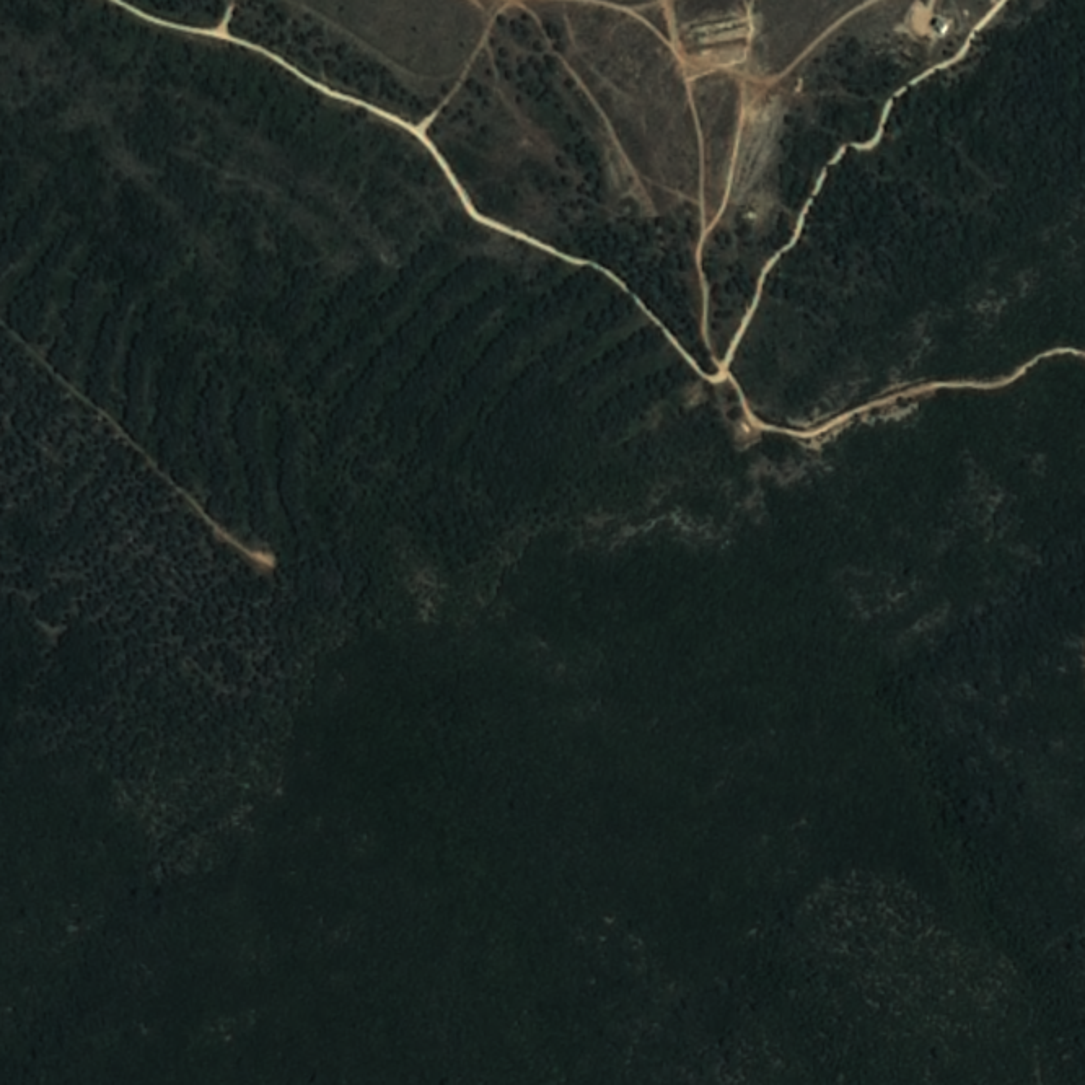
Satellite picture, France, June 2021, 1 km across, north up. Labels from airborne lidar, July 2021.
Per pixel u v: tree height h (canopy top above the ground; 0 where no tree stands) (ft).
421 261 45
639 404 29
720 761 17
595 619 25
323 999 25
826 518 26
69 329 26
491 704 22
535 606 26
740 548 24
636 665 21
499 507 21
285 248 22
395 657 32
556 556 22
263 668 39
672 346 0
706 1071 47
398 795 24
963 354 17
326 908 18
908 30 0
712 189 0
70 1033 18
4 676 26
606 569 29
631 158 0
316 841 22
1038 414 21
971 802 47
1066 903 21
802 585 29
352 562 34
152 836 26
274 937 21
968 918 22
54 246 37
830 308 35
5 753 18
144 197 22
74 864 22
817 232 32
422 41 0
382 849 18
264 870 26
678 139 0
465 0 0
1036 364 26
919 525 19
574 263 0
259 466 32
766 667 23
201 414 40
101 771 20
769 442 23
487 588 28
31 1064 24
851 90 19
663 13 0
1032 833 19
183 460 21
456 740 30
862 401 18
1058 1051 26
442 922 21
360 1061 23
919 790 27
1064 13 32
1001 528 29
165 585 39
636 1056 17
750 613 20
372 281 44
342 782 23
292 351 24
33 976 24
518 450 24
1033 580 24
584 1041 21
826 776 18
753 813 18
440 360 30
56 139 20
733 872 18
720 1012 21
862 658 24
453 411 36
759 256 0
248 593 31
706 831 20
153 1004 18
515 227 0
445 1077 21
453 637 29
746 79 0
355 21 0
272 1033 18
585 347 38
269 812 17
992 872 22
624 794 20
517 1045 22
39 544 39
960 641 28
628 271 36
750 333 0
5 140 20
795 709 28
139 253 34
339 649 27
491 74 22
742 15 0
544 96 36
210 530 36
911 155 39
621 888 19
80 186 29
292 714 21
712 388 21
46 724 29
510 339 38
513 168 0
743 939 25
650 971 26
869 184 34
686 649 22
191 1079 18
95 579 31
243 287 26
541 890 18
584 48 0
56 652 31
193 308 27
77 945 20
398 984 22
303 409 26
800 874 18
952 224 27
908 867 22
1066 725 18
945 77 24
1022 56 36
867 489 22
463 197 0
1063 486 23
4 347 41
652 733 21
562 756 19
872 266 20
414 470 29
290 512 43
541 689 20
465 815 27
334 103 0
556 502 26
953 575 23
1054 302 21
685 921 21
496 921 28
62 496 34
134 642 29
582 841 17
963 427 20
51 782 23
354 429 34
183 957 18
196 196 38
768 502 22
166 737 25
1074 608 18
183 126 20
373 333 27
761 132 0
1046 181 24
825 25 0
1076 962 21
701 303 0
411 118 0
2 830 18
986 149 28
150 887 19
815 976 36
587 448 19
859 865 20
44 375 28
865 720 19
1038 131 28
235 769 24
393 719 20
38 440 37
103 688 33
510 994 18
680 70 0
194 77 21
